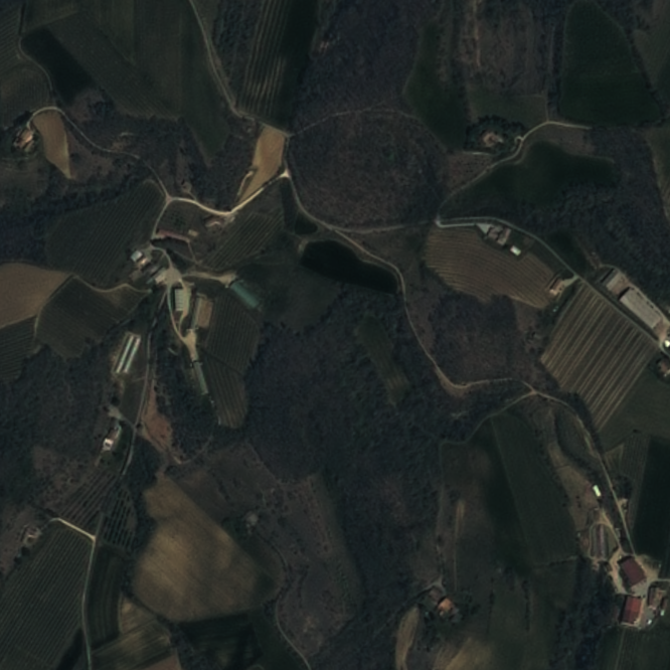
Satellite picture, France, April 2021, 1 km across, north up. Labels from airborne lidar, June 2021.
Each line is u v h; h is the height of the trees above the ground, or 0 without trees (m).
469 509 0
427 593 6
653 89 13
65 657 0
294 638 8
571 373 0
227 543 0
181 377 14
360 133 14
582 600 17
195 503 0
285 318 0
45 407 8
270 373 14
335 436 15
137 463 12
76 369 6
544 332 0
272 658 0
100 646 0
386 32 24
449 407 15
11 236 19
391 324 14
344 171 14
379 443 14
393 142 10
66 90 0
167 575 0
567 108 0
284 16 0
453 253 0
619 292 0
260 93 0
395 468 11
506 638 0
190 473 0
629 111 0
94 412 12
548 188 0
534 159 0
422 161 14
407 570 12
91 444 10
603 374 0
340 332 11
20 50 0
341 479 13
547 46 10
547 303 0
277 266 0
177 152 14
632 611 0
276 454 12
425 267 6
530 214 16
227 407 0
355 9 9
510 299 8
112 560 0
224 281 0
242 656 0
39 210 18
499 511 0
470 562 0
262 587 0
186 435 9
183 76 0
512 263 0
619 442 0
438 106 0
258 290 0
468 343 9
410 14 12
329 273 0
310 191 13
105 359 17
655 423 0
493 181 0
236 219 8
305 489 6
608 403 0
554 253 0
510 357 14
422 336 12
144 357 0
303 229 0
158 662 0
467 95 10
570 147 0
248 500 0
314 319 0
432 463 8
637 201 21
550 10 12
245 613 0
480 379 15
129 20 0
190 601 0
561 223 15
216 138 0
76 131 14
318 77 20
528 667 0
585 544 0
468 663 0
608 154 15
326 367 18
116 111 12
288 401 15
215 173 13
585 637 22
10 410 12
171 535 0
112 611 0
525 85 0
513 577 14
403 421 19
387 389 10
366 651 14
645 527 0
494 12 15
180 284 0
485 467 0
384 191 15
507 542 0
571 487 0
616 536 0
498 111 0
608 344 0
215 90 0
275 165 0
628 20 12
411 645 0
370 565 24
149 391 0
